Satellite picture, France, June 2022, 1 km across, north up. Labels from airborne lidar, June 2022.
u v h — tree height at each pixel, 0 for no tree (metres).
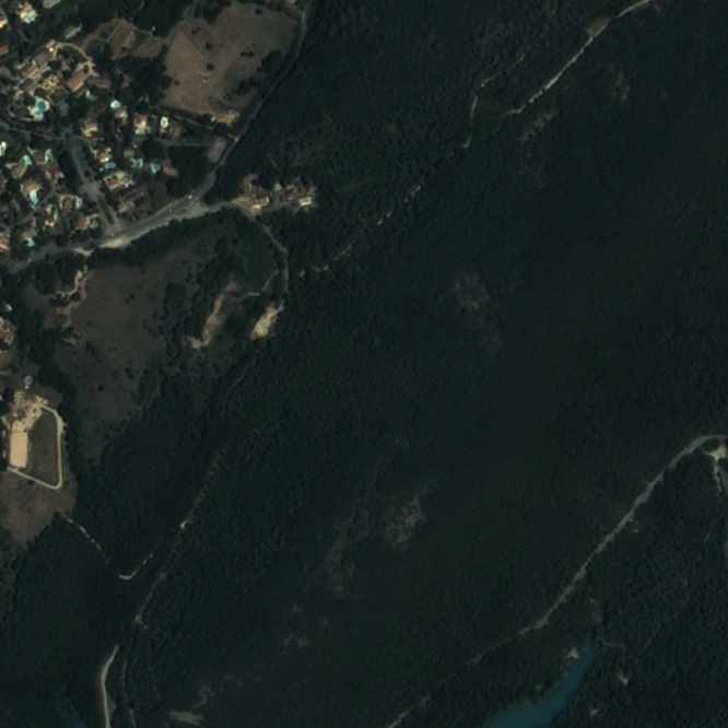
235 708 8
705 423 7
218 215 10
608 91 9
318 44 15
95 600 14
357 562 7
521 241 8
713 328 18
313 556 8
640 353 11
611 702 16
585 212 12
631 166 11
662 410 17
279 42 0
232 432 18
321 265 7
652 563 21
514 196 8
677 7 10
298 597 8
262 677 6
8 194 10
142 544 13
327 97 15
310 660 7
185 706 7
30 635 9
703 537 6
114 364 0
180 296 12
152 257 7
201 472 15
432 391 9
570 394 13
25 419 0
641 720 15
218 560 10
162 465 7
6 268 12
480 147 12
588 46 6
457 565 12
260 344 12
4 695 12
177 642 13
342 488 11
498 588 12
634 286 9
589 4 8
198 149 14
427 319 9
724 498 8
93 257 12
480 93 11
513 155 7
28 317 14
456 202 9
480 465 10
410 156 8
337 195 13
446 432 9
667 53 8
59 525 11
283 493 13
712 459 11
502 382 9
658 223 9
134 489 7
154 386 16
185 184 14
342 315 10
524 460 9
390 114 8
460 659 18
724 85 11
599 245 11
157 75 20
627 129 14
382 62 11
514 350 9
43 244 6
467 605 14
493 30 18
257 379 10
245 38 0
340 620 9
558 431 17
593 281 9
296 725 9
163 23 13
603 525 7
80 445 7
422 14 9
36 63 0
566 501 9
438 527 8
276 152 14
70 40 7
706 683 19
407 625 11
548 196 9
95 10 10
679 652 17
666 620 7
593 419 15
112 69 11
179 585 7
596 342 11
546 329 10
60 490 0
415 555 8
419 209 18
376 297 9
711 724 19
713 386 15
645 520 9
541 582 10
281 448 12
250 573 11
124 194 6
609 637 8
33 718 14
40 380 9
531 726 0
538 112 9
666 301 12
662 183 8
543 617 8
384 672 10
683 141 10
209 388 16
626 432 12
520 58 19
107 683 9
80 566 9
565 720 15
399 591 8
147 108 17
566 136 12
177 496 13
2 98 15
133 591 11
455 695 11
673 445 11
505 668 16
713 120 8
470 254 7
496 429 9
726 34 10
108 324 0
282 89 13
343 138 7
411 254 10
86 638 12
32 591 11
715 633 9
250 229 14
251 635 10
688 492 19
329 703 12
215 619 15
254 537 14
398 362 6
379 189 16
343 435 12
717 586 15
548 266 10
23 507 0
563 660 11
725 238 14
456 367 8
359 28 13
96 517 13
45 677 10
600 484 8
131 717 10
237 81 0
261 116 12
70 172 21
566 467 14
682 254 14
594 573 13
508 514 11
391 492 6
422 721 14
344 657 10
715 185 10
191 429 14
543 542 10
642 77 8
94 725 15
